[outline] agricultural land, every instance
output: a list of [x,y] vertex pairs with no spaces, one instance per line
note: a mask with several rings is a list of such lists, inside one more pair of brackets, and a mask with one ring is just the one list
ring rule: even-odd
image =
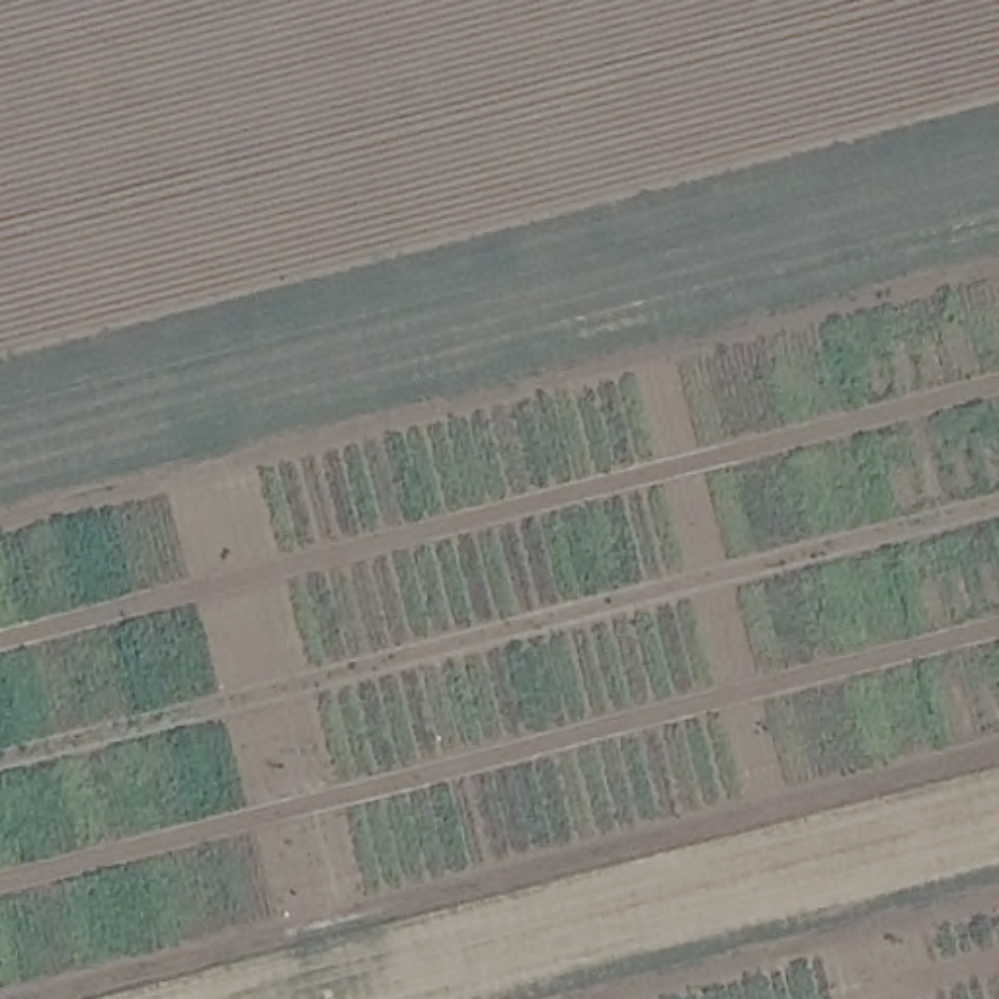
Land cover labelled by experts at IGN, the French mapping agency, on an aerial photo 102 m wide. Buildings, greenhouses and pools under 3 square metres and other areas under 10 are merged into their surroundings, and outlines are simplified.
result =
[[999,0],[0,0],[0,999],[999,999]]

